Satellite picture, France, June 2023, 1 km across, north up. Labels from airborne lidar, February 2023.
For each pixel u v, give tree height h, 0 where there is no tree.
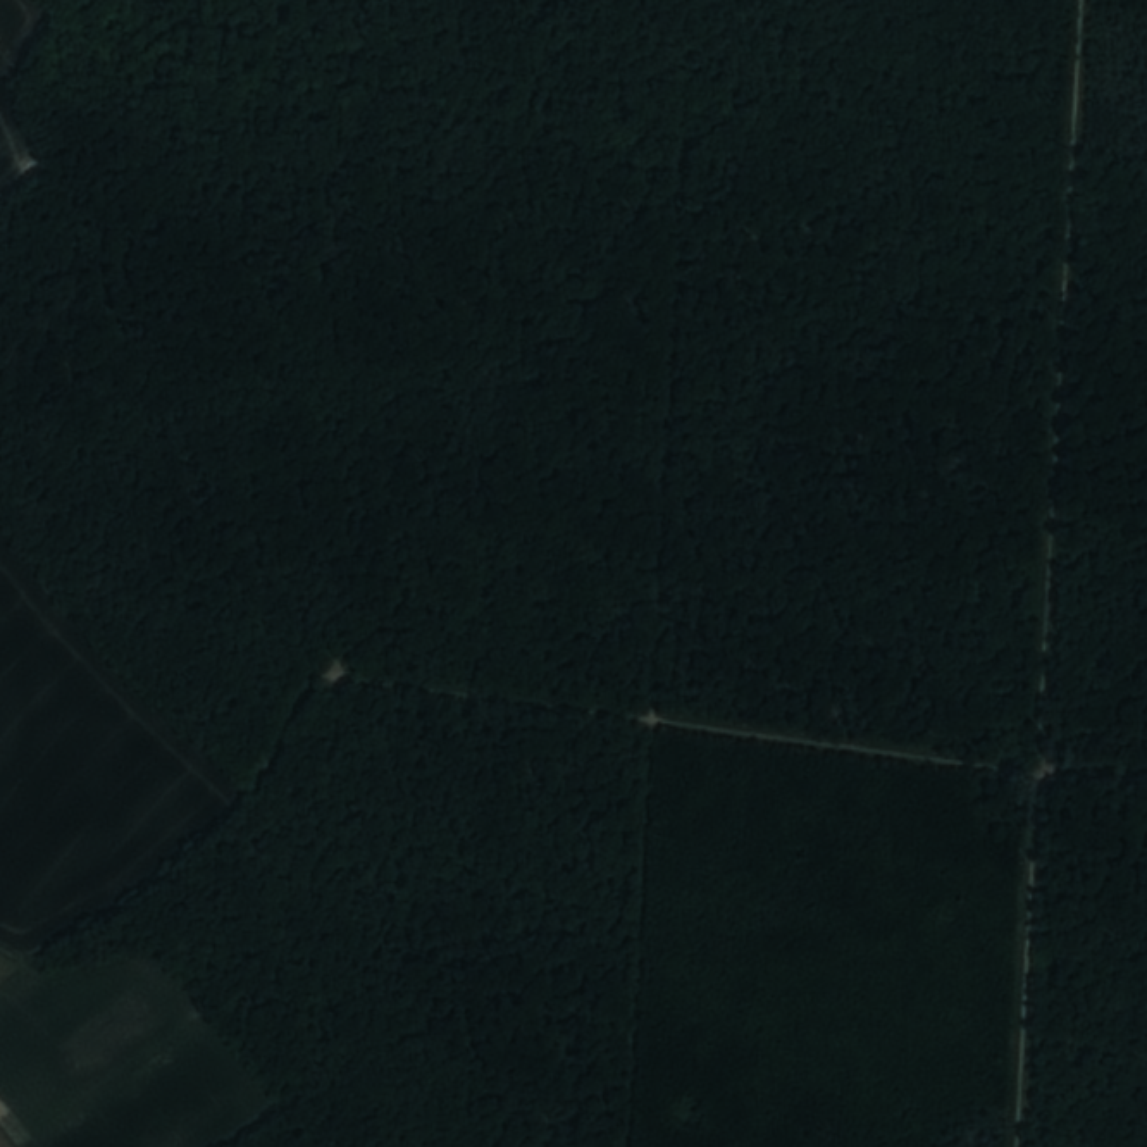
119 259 28
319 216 29
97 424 28
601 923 26
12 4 0
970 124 26
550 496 29
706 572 29
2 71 0
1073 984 22
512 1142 26
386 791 21
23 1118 0
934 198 30
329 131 30
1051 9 22
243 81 24
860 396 32
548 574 25
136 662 19
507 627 22
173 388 30
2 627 0
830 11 26
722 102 23
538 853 24
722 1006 12
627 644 25
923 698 27
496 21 26
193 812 0
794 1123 12
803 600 29
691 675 28
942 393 30
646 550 28
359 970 27
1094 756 26
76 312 27
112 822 0
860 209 26
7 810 0
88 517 29
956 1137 13
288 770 20
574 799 24
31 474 25
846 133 26
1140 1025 24
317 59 26
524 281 26
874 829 12
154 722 0
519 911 26
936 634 27
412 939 26
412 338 30
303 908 25
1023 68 25
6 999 0
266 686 24
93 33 28
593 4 24
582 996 28
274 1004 28
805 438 29
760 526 27
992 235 24
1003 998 11
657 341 31
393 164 25
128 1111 0
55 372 32
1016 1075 0
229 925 27
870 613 29
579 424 28
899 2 24
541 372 23
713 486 27
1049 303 30
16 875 0
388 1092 25
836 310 27
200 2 29
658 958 13
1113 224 28
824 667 29
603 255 26
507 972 29
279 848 28
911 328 33
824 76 24
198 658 23
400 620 21
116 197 25
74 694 0
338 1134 24
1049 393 27
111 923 24
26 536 19
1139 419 31
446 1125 21
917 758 0
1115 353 31
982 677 23
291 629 24
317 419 25
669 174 26
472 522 26
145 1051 0
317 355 29
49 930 0
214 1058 0
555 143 22
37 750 0
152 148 28
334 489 29
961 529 32
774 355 23
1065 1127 23
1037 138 22
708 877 13
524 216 26
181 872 19
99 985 0
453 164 29
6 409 25
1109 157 24
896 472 32
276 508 32
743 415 30
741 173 27
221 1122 0
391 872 27
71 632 0
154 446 32
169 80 16
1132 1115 21
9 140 0
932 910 9
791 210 29
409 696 23
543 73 22
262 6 29
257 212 30
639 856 21
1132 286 28
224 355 29
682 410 28
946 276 30
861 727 24
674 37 25
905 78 24
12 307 25
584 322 27
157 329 30
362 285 30
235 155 26
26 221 23
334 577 25
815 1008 9
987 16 23
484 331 28
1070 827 27
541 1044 31
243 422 26
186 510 29
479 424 27
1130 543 25
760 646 31
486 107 28
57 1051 0
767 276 27
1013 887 12
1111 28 9
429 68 26
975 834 11
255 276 31
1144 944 17
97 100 25
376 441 26
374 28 27
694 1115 7
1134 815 29
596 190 27
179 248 30
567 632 24
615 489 28
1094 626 22
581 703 19
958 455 31
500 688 21
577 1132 30
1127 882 23
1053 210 24
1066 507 26
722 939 10
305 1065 21
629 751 20
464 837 25
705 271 29
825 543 30
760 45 26
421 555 24
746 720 24
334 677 0
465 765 21
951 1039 11
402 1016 23
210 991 23
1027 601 26
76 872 0
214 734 18
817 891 12
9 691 0
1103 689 27
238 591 24
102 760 0
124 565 26
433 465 29
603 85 24
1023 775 32
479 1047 29
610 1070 29
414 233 31
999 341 25
